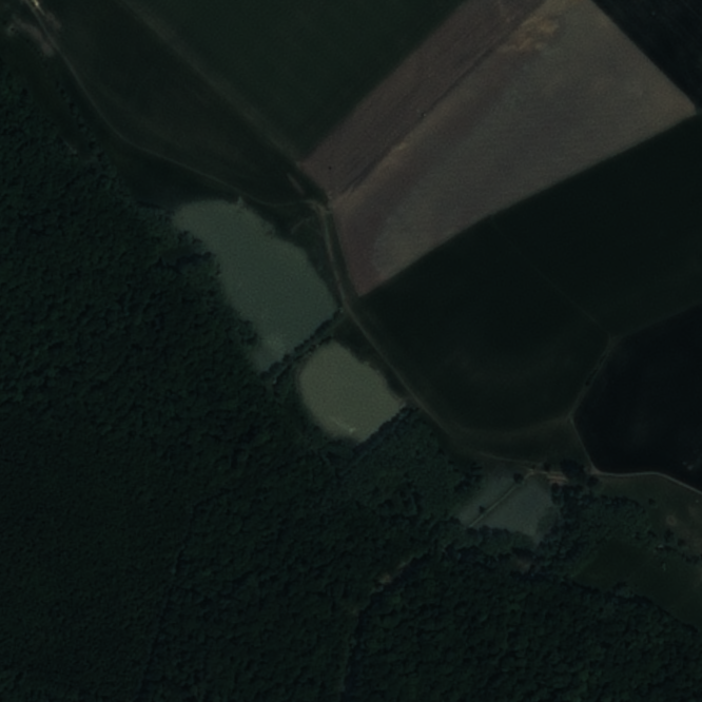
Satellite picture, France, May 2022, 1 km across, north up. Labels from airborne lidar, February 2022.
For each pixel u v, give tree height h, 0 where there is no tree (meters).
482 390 0
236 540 26
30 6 0
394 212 0
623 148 0
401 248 0
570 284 0
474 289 0
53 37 0
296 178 0
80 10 0
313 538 26
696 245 0
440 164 0
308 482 25
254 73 0
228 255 0
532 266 0
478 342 0
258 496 27
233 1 0
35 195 25
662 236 0
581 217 0
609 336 0
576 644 27
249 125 0
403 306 0
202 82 0
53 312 28
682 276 0
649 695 28
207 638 24
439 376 0
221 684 26
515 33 0
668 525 0
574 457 0
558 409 0
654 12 0
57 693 28
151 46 0
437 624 26
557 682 31
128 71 0
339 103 0
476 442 0
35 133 23
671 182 0
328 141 0
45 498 18
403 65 0
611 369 0
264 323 0
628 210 0
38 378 27
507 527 0
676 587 0
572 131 0
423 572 25
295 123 0
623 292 0
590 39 0
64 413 23
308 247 0
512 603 24
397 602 24
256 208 0
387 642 28
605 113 0
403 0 0
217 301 13
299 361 9
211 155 0
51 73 0
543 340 0
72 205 23
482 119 0
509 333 0
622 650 24
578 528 23
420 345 0
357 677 21
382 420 0
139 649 15
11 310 26
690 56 0
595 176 0
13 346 27
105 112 0
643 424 0
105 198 25
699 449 0
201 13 0
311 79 0
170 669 25
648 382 0
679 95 0
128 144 0
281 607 26
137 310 28
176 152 0
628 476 0
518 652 27
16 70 0
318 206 0
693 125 0
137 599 21
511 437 0
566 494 22
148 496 17
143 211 22
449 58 0
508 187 0
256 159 0
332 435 0
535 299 0
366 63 0
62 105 0
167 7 0
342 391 0
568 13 0
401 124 0
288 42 0
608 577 0
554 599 24
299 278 0
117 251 23
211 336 21
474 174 0
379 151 0
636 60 0
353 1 0
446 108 0
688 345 0
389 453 23
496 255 0
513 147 0
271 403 23
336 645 26
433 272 0
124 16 0
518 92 0
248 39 0
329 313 0
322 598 27
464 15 0
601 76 0
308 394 0
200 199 0
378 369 0
